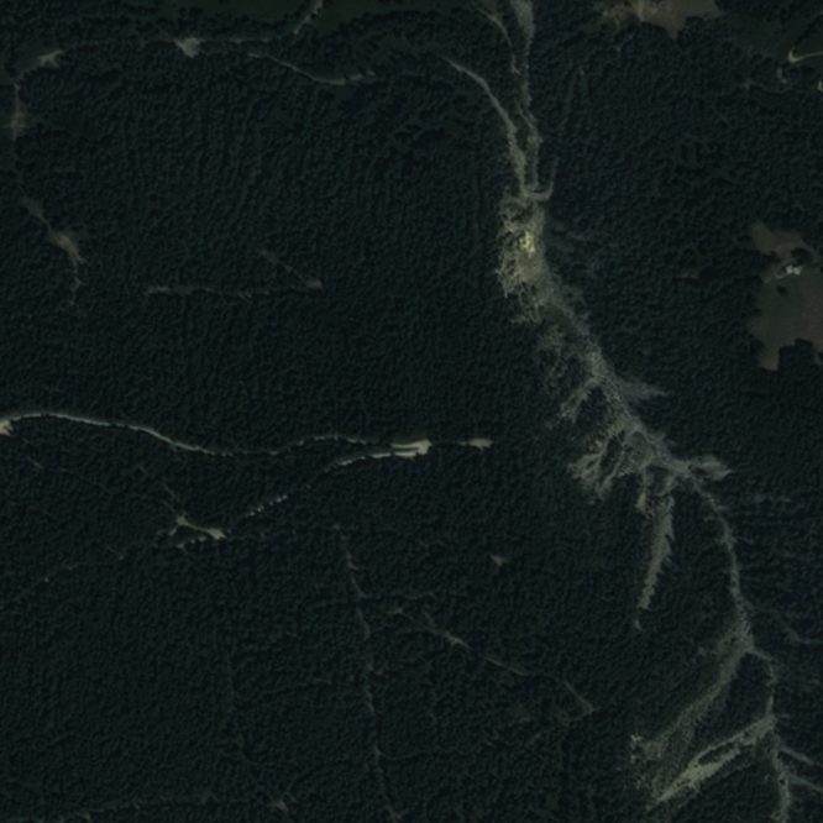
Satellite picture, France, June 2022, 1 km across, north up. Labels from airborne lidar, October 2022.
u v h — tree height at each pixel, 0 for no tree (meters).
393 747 15
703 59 16
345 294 18
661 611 13
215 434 17
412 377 29
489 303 25
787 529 14
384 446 14
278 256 15
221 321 23
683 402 12
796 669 7
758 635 10
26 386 20
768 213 30
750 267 20
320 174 16
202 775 26
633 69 20
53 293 23
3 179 12
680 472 0
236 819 25
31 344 19
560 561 21
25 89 26
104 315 18
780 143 16
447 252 14
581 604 26
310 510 22
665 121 16
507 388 27
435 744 23
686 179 15
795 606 21
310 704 17
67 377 19
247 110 29
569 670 22
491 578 34
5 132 0
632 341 10
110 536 28
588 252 8
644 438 0
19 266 22
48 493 22
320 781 22
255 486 23
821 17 8
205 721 30
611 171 20
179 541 8
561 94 18
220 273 21
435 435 26
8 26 12
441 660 20
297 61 23
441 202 24
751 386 10
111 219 25
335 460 20
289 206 28
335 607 23
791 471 23
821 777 8
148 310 20
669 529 0
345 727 24
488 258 14
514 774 17
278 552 18
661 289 15
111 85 29
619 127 22
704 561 24
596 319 9
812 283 0
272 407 23
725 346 20
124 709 22
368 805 26
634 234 15
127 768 22
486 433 8
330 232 21
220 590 17
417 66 29
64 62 12
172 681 22
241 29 20
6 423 0
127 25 25
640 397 0
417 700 13
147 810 25
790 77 11
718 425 11
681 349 17
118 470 9
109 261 22
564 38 17
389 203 18
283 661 20
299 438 17
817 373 0
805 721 10
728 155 21
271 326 8
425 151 36
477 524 24
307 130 26
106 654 25
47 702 24
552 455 17
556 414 10
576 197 14
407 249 24
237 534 23
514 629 29
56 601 24
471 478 27
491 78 20
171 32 20
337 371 15
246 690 17
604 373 0
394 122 30
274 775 23
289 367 27
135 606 20
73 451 25
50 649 28
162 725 25
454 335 18
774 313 0
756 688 16
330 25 0
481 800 26
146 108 26
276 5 0
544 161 11
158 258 27
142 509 23
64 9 17
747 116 23
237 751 28
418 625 8
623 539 6
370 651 24
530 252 0
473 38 30
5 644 19
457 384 22
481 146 22
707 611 16
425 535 25
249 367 12
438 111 28
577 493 16
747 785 23
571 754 25
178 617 29
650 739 7
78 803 21
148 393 22
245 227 16
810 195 19
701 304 21
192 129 24
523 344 16
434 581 16
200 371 21
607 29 14
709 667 8
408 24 23
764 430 28
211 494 18
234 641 22
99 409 21
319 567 22
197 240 17
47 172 14
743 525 17
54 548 23
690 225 16
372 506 22
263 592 24
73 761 22
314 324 21
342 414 23
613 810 17
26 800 19
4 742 24
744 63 14
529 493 20
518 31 16
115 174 24
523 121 6
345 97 0
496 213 7
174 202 16
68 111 30
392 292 22
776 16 18
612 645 22
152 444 15
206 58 21
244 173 14
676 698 11
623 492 8
